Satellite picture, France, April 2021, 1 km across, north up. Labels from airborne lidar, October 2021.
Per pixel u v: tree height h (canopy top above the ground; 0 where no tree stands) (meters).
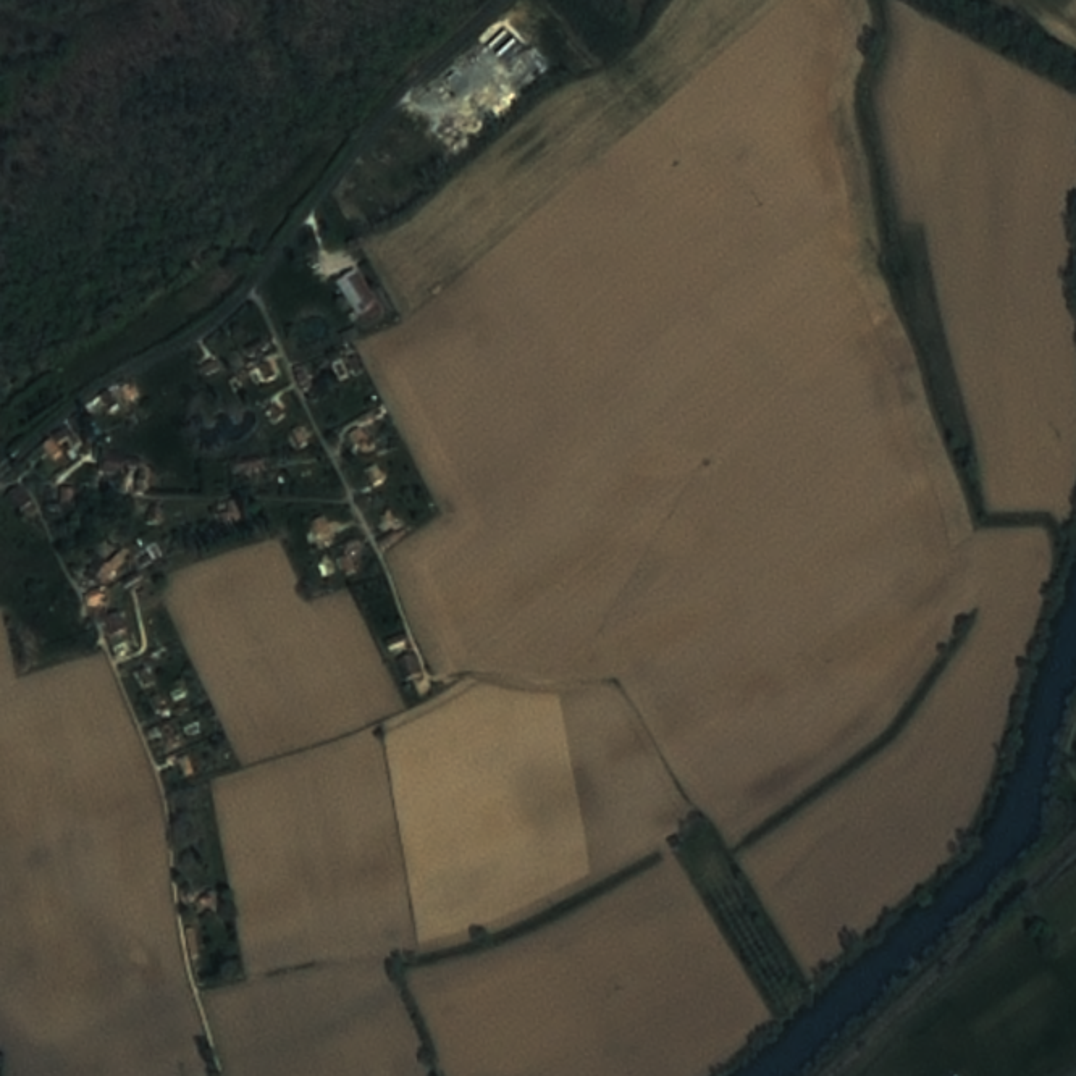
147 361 0
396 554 0
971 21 16
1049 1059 0
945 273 0
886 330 0
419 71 0
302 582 9
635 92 0
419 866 0
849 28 0
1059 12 0
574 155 0
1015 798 0
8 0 21
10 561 0
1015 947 0
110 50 9
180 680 7
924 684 0
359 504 12
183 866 13
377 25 23
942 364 0
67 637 0
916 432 0
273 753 0
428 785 0
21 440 6
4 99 21
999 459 0
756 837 0
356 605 9
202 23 18
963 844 19
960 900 0
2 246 21
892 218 0
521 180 0
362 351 0
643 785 0
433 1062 11
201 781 0
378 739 9
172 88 21
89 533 9
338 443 11
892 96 0
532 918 0
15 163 25
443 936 0
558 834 0
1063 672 0
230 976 29
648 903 0
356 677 0
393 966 14
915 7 18
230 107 14
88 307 18
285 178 16
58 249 20
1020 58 21
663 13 0
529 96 13
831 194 0
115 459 0
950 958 0
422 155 0
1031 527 0
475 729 0
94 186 21
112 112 25
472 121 0
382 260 0
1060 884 0
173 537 8
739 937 26
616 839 0
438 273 0
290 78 22
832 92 0
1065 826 17
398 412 0
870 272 0
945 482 0
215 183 16
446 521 0
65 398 10
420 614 0
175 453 0
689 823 11
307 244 19
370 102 24
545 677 0
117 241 17
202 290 0
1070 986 0
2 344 21
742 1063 10
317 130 26
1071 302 16
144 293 16
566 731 0
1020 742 7
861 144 0
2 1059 15
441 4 24
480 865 0
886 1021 0
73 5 23
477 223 0
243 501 15
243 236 28
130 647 0
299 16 19
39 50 21
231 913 18
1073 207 15
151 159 21
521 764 0
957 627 9
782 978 30
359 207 0
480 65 0
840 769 0
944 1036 0
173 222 23
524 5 0
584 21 8
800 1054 0
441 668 0
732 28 0
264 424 0
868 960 0
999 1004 0
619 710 0
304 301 0
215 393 9
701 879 13
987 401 0
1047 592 12
